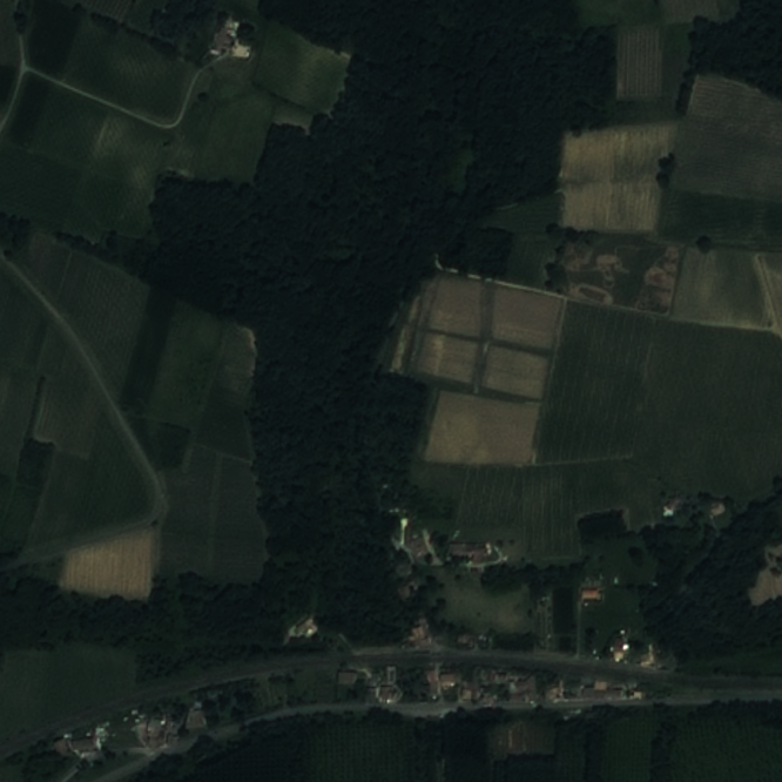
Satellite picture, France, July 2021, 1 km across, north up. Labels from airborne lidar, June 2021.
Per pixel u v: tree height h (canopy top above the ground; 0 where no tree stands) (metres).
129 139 0
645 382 0
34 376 0
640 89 0
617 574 0
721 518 0
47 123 0
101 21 16
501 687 8
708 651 17
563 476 0
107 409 0
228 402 0
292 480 19
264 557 0
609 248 0
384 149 19
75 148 0
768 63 19
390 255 25
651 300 0
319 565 9
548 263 0
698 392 0
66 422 0
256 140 0
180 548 0
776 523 11
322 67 0
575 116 7
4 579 9
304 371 25
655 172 0
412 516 10
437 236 21
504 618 0
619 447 0
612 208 0
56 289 0
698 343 0
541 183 11
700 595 14
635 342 0
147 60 0
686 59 0
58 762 11
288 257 19
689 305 0
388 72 30
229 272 27
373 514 19
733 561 15
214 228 22
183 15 11
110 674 0
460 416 0
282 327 20
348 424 13
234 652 8
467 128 12
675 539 20
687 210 0
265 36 0
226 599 15
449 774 16
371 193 8
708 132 0
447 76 27
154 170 0
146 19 0
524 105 26
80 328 0
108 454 0
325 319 20
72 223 0
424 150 28
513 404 0
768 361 0
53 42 0
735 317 0
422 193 22
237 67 0
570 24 17
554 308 0
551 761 20
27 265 0
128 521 0
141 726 0
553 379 0
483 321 0
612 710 17
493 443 0
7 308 0
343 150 21
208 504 0
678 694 0
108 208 0
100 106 0
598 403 0
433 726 10
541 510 0
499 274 16
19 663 0
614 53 11
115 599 12
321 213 28
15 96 0
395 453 16
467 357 0
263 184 23
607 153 0
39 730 0
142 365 0
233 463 0
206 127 0
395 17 22
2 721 0
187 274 18
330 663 0
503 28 23
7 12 0
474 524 0
